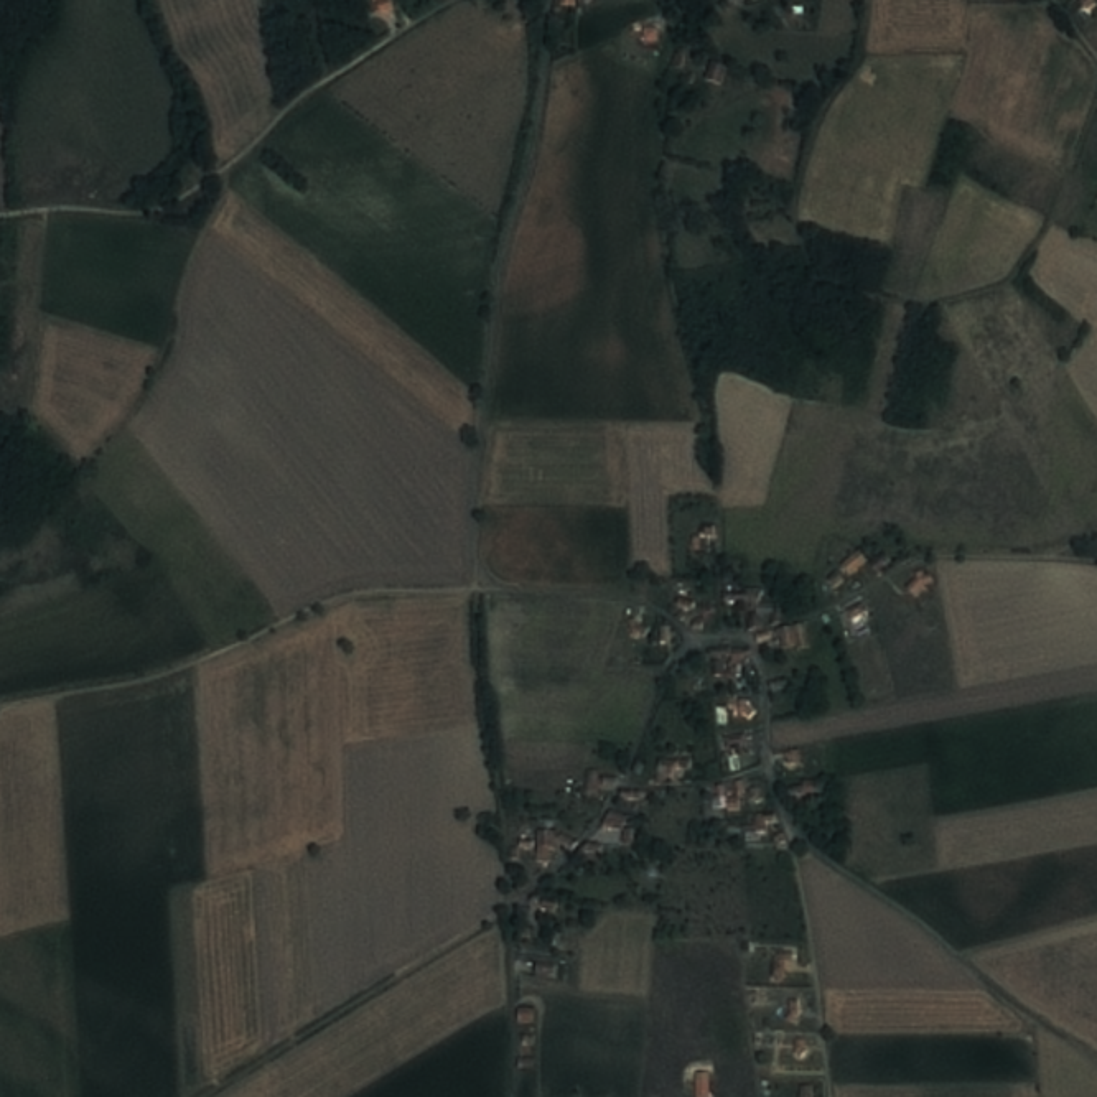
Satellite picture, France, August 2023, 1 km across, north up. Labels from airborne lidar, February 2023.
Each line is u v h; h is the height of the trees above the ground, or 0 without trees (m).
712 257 0
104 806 0
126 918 0
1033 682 0
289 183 8
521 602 0
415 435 0
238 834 0
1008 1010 0
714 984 0
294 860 0
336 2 10
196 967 0
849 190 0
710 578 14
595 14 0
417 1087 0
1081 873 0
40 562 0
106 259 0
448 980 0
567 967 0
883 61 0
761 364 5
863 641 0
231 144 0
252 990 0
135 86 0
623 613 0
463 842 0
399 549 0
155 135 0
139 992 0
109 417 0
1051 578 0
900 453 0
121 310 0
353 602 0
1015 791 0
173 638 0
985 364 0
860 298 15
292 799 0
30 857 0
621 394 0
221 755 0
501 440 0
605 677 0
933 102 0
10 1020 0
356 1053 0
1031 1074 0
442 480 0
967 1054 0
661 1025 0
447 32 0
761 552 0
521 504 0
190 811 0
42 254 0
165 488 0
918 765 0
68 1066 0
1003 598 0
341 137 0
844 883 0
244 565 0
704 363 15
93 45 0
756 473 0
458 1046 0
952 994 0
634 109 0
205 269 0
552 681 0
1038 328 0
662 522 0
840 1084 0
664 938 9
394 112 0
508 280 0
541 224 0
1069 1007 0
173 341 0
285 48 10
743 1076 0
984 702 0
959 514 0
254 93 0
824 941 0
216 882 0
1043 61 0
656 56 0
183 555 0
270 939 0
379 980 0
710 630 0
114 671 0
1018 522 0
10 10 14
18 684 0
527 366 0
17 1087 0
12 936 0
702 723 11
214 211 12
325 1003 0
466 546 0
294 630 0
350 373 0
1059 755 0
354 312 0
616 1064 0
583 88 0
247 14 0
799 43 0
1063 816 0
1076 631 0
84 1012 0
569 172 0
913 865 0
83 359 0
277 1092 0
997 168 0
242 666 0
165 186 16
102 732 0
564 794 6
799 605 10
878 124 0
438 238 0
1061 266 0
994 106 0
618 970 0
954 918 0
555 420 0
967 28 0
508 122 0
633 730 0
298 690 0
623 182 0
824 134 0
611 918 0
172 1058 0
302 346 0
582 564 0
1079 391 0
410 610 0
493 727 13
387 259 0
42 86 0
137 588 0
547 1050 0
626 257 0
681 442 0
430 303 0
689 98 6
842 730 0
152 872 0
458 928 0
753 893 0
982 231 0
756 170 13
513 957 0
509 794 6
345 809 0
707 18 12
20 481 13
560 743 0
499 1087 0
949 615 0
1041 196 0
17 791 0
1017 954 0
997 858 0
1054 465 0
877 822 0
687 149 0
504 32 0
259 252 0
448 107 0
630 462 0
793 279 9
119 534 0
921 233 0
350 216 0
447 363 0
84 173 0
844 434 0
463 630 0
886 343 0
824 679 8
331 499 0
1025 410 0
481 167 0
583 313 0
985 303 0
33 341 0
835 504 0
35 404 0
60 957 0
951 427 0
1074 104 0
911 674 0
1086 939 0
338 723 0
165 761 0
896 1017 0
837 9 0
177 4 0
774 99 0
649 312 0
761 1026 0
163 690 0
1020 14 0
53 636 0
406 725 0
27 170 0
